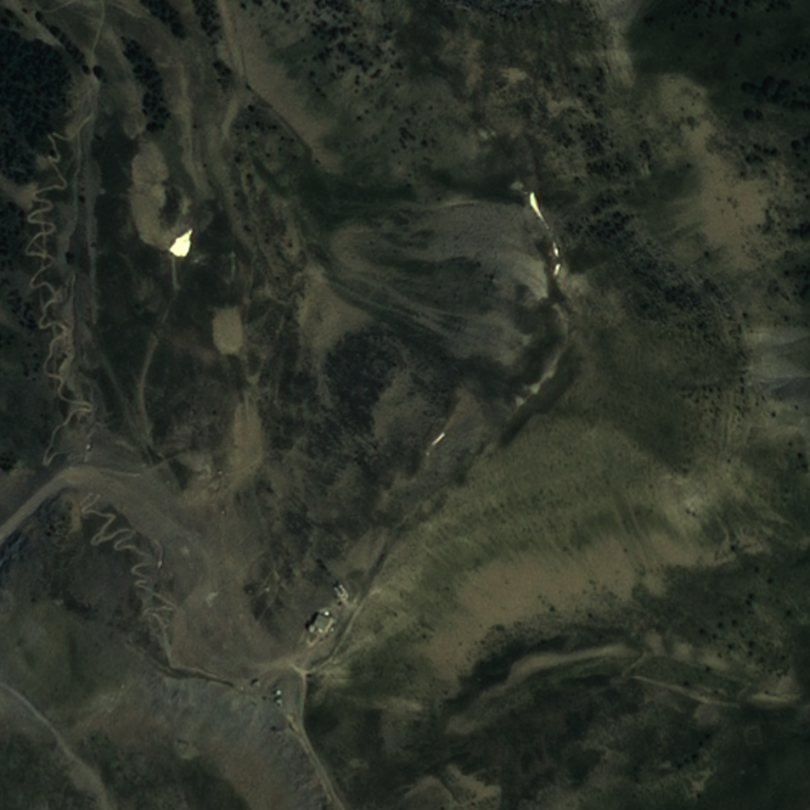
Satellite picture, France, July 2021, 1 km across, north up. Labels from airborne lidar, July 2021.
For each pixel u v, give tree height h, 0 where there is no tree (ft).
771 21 0
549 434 0
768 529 0
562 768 0
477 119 0
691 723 0
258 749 0
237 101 0
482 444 0
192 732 0
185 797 0
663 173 0
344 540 0
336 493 0
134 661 0
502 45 0
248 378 0
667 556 0
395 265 0
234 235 0
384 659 0
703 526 0
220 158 0
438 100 0
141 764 0
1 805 0
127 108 0
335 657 0
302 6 0
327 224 0
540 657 0
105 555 0
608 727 0
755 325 0
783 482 0
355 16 0
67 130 0
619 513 0
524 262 0
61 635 0
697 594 0
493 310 0
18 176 27
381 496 0
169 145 0
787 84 57
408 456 0
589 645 0
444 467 0
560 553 0
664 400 0
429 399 0
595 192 0
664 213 0
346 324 0
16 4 0
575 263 0
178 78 0
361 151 0
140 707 0
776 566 0
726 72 0
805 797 0
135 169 0
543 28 0
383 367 0
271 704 0
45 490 0
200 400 0
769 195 0
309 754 0
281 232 0
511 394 0
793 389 0
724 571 0
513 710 0
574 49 0
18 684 0
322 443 0
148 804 0
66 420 0
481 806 0
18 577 0
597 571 0
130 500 0
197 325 0
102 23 0
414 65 0
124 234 0
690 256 0
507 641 0
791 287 0
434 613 0
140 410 0
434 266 0
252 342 0
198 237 0
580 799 0
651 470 0
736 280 0
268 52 0
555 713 0
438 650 0
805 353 0
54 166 0
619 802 0
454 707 0
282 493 0
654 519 0
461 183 0
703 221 0
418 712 0
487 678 0
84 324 0
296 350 0
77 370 0
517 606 0
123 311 0
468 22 0
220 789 0
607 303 0
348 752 0
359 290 0
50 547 0
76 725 0
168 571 0
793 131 0
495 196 0
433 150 0
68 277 0
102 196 0
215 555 0
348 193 0
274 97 0
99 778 0
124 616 0
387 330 0
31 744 0
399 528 0
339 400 0
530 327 0
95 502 0
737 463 0
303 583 0
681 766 25
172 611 0
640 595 0
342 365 0
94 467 0
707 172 0
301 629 0
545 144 0
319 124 0
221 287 0
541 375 0
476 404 0
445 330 0
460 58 0
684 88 0
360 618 0
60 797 0
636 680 0
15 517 0
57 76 25
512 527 0
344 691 0
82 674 0
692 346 0
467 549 0
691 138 0
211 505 0
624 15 0
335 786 0
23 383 0
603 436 0
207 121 0
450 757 0
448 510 0
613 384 0
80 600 0
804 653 0
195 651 0
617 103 0
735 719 0
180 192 0
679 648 0
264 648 0
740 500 0
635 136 0
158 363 0
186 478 0
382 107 0
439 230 0
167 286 0
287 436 0
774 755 0
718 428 0
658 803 0
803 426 0
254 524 0
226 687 0
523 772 0
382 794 0
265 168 0
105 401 0
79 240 0
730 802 0
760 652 0
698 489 0
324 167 0
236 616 0
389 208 0
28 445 0
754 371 0
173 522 0
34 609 0
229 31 0
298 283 0
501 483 0
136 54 56
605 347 0
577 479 0
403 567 0
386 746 0
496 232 0
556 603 0
